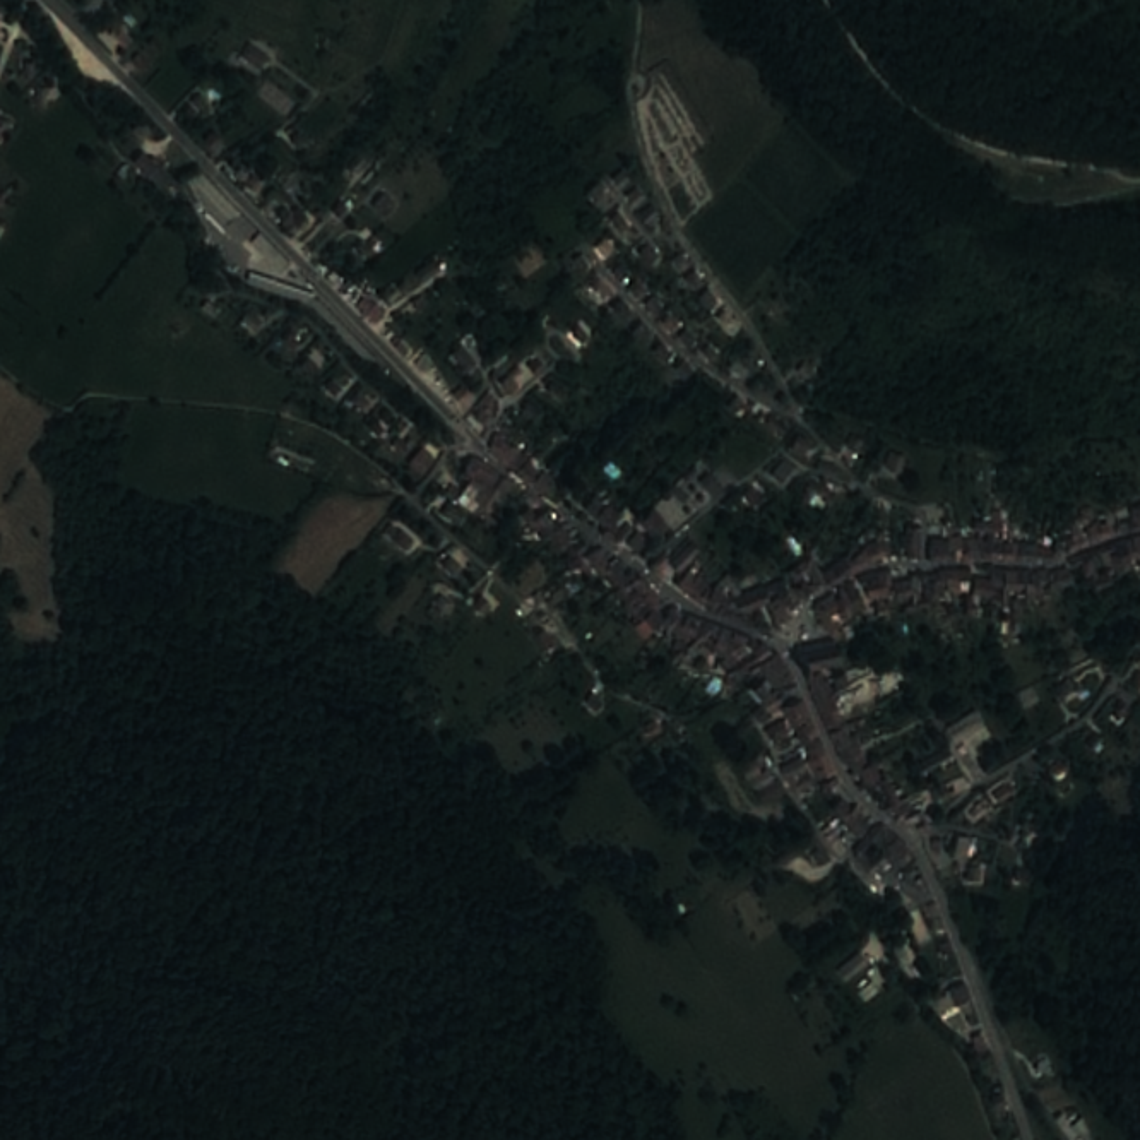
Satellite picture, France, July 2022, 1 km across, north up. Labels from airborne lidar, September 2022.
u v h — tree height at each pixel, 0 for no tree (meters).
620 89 9
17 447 0
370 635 7
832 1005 12
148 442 0
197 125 7
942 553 0
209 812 26
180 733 17
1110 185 0
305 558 0
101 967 32
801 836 27
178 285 0
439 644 9
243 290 10
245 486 0
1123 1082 24
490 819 23
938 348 7
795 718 0
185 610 19
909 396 14
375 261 12
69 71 19
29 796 19
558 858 13
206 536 21
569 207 0
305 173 11
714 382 7
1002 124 16
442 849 23
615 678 13
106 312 0
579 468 13
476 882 22
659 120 0
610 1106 31
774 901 0
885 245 9
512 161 9
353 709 8
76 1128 25
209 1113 24
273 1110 21
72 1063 30
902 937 13
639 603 0
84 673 12
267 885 29
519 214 10
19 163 0
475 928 30
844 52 18
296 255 0
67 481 6
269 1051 24
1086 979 20
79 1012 30
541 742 0
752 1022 0
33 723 6
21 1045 35
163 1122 22
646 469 7
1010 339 6
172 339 0
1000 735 0
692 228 0
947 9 24
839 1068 0
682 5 0
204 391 0
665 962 0
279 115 0
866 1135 0
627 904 22
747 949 0
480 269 17
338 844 29
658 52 0
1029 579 0
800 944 18
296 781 26
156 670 12
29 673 15
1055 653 7
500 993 25
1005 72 19
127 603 22
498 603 0
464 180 9
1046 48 23
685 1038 0
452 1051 33
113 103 20
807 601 0
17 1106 31
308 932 24
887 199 17
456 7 11
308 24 0
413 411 14
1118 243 21
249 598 19
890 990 8
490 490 0
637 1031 0
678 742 7
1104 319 6
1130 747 6
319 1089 20
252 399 0
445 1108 28
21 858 23
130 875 28
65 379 0
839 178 0
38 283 0
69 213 0
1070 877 18
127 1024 22
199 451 0
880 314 6
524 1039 32
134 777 22
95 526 7
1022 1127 0
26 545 0
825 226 7
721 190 0
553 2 12
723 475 0
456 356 0
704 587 0
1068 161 15
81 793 23
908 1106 0
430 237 0
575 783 16
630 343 9
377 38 0
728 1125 9
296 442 0
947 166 11
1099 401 8
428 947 25
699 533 0
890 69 22
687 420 0
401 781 30
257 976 33
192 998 27
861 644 16
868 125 24
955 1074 0
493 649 0
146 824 24
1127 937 23
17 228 0
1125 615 6
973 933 0
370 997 28
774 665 0
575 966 23
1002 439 10
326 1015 26
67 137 0
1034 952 8
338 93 0
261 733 22
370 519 0
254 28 0
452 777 24
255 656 11
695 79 0
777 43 12
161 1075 24
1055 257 15
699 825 20
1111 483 6
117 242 0
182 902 31
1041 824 10
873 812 0
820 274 6
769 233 0
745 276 0
